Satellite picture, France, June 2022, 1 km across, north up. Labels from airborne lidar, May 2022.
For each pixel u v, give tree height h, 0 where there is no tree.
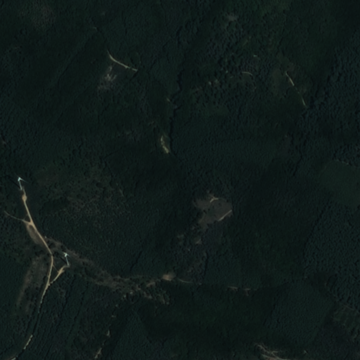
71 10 19
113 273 8
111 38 21
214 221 0
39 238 0
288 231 15
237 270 26
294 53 21
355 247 35
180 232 16
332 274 18
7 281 26
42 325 14
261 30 15
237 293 13
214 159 21
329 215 30
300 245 15
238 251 12
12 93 28
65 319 27
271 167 15
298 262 10
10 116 34
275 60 16
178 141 18
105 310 14
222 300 18
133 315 27
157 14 15
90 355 15
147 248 22
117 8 13
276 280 7
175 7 12
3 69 26
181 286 11
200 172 10
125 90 11
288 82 11
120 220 12
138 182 11
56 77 22
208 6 39
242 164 14
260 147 12
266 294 18
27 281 0
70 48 22
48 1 15
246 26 13
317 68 21
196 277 14
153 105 22
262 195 17
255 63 13
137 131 16
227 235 14
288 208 16
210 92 6
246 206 12
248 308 14
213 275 28
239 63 13
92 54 28
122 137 7
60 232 15
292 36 18
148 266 29
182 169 23
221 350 15
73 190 8
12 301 26
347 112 19
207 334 19
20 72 29
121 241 13
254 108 13
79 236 14
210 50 16
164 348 20
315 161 18
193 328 20
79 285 26
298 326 32
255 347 8
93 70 27
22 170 14
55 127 19
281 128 18
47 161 16
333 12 21
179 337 16
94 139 11
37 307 13
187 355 12
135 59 19
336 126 25
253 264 8
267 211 16
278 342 11
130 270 17
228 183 6
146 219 8
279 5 6
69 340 26
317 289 13
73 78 27
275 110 15
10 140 28
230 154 22
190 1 36
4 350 11
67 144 15
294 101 19
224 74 17
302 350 13
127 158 19
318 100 24
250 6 14
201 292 19
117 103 7
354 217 23
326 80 9
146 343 27
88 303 17
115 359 24
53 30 27
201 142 14
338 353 16
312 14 19
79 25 21
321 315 28
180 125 20
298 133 20
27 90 24
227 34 8
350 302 26
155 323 20
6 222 15
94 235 11
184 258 10
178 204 17
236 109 13
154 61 11
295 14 17
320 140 26
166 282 16
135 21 16
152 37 11
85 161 13
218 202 0
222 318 13
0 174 10
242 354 13
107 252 11
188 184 12
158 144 23
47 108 22
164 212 17
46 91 21
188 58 32
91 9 9
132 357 22
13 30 20
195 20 18
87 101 20
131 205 13
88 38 20
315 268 28
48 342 14
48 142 18
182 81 24
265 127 10
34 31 17
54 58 28
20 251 14
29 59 35
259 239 10
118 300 10
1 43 21
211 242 17
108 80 9
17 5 23
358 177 6
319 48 16
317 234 29
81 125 16
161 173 24
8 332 11
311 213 22
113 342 15
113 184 17
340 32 21
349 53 29
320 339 19
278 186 17
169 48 28
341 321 0
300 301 28
